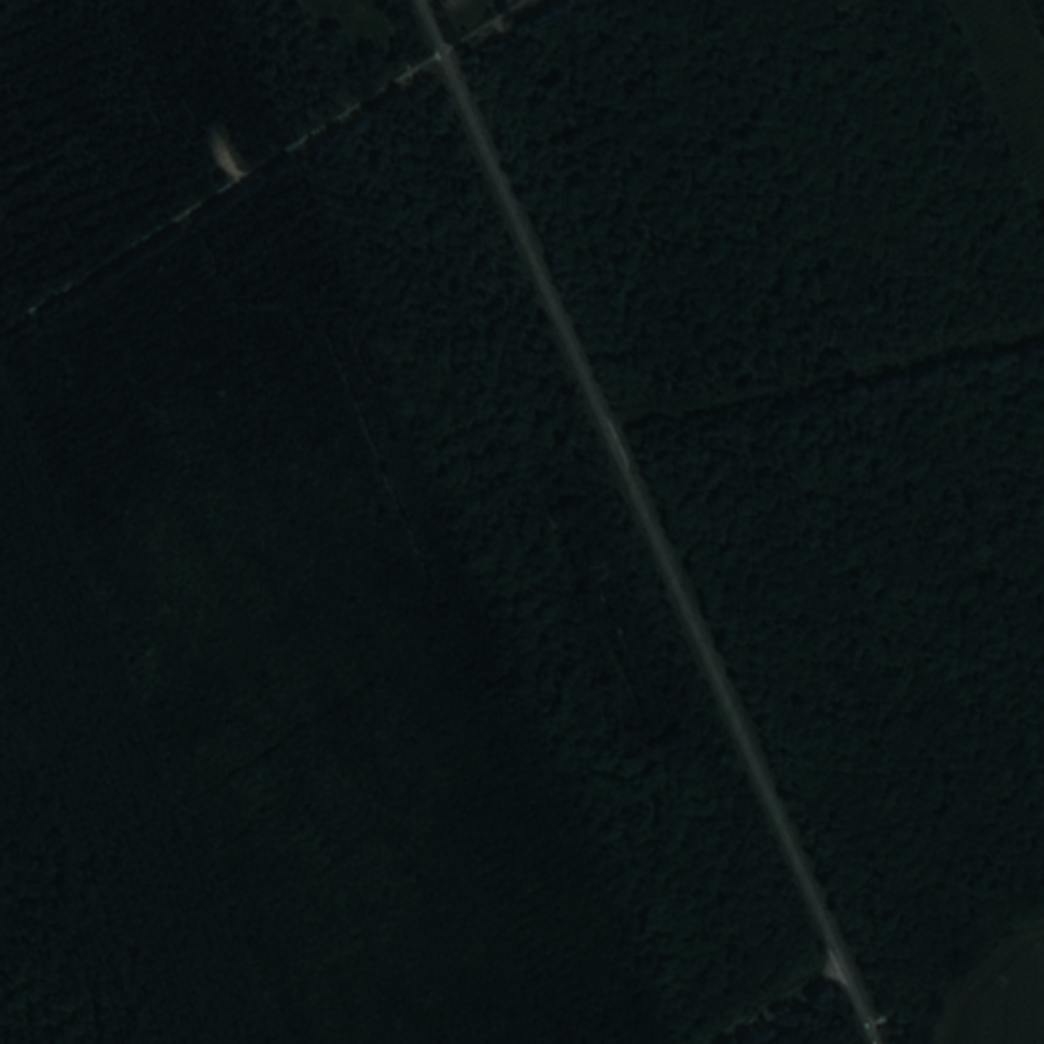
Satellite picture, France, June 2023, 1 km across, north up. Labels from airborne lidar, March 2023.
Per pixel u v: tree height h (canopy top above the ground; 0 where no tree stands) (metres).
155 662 14
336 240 22
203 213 13
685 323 23
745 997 20
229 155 0
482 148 0
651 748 24
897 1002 18
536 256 0
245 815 12
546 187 24
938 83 21
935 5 20
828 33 24
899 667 24
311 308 14
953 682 22
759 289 21
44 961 25
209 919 31
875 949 19
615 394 18
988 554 17
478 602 12
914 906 24
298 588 15
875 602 24
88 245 14
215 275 16
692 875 22
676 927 24
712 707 19
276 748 13
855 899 23
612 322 22
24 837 30
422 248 20
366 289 19
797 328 24
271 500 16
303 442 16
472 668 14
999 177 22
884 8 20
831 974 0
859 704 24
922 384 20
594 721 24
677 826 23
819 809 21
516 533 24
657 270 24
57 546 34
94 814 33
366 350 15
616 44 22
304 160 15
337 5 0
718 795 20
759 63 21
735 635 23
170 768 19
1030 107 0
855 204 19
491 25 0
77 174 17
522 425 22
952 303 25
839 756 24
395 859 15
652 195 20
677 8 24
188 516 16
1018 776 23
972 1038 0
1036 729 22
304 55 18
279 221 17
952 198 21
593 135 17
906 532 23
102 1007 23
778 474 28
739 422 22
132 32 16
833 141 18
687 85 21
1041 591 18
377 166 20
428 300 21
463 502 24
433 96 12
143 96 15
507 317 17
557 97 23
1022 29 0
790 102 23
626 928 21
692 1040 20
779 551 27
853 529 18
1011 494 20
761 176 22
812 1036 21
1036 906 19
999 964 0
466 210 19
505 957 15
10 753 32
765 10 23
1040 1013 0
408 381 21
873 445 27
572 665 24
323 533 20
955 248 24
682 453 22
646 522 0
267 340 15
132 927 33
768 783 0
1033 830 22
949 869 25
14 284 18
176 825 30
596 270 24
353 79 20
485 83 19
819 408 25
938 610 19
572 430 18
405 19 19
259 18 18
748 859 18
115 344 16
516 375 26
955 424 22
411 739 14
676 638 20
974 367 21
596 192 22
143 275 16
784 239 23
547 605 22
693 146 23
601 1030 17
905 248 21
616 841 19
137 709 27
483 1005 15
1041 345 20
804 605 23
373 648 20
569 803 18
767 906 20
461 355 22
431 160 19
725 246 17
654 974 21
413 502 16
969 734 24
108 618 14
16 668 34
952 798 23
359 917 19
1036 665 21
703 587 22
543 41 23
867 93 24
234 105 15
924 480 27
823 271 22
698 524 19
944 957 21
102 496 15
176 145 12
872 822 23
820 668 22
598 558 22
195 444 15
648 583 21
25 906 22
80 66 18
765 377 19
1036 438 24
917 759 22
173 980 34
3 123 16
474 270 21
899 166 23
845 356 17
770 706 21
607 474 19
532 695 18
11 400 31
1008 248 22
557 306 0
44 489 32
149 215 12
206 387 13
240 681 16
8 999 19
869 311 20
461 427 22
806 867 0
